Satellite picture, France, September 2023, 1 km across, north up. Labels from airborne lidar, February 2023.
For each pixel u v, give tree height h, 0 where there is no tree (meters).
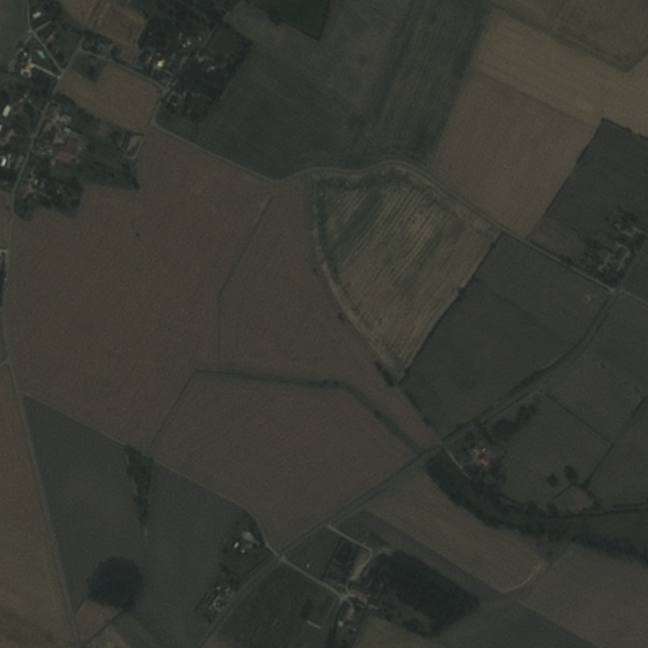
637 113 0
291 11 0
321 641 0
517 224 0
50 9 8
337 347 0
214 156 0
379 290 0
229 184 0
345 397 0
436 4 0
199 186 0
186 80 18
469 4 0
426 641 0
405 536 0
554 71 0
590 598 0
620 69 0
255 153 0
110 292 0
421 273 0
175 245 0
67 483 0
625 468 0
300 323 0
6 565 0
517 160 0
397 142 0
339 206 0
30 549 0
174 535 0
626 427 0
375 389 0
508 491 0
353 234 0
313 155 0
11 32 0
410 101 0
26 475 0
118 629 0
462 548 0
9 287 0
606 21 0
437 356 0
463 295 8
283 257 0
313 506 0
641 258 0
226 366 0
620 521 0
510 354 0
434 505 0
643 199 0
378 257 0
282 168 0
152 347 0
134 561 0
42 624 0
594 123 0
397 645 0
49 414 0
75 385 0
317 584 0
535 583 0
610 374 0
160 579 0
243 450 0
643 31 0
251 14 0
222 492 0
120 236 0
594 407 0
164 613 0
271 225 0
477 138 0
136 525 0
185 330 0
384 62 0
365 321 0
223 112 0
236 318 0
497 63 0
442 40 0
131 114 0
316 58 0
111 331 0
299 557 0
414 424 0
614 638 0
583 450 0
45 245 0
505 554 0
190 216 0
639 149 0
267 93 0
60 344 0
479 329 0
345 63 0
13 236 0
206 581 0
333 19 0
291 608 0
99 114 0
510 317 0
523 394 0
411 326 0
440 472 17
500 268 0
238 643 0
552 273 0
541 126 0
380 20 0
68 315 0
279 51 0
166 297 0
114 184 0
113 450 0
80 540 0
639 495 0
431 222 0
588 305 0
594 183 0
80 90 0
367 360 0
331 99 0
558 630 0
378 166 0
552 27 0
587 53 0
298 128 0
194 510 0
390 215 0
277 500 0
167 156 0
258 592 0
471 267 0
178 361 0
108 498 0
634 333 0
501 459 0
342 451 0
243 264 0
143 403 0
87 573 0
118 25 0
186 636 0
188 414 0
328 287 0
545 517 7
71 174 0
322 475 0
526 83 0
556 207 0
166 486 0
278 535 0
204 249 0
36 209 0
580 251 0
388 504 0
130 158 0
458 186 0
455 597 9
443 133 0
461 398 0
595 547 21
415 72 0
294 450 0
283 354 0
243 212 0
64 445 0
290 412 0
